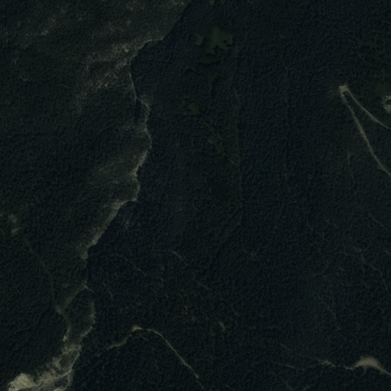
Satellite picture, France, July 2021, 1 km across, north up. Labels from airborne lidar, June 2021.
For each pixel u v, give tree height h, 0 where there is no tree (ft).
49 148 44
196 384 74
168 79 62
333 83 26
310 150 48
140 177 39
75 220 68
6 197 57
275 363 49
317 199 52
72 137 50
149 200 26
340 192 73
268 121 53
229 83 41
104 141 39
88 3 39
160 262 47
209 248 73
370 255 69
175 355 23
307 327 70
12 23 53
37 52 41
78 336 28
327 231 51
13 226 22
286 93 35
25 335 72
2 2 50
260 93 73
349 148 50
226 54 54
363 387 72
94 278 46
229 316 35
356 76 30
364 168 80
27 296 84
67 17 34
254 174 78
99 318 27
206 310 62
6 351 69
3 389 43
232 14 52
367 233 66
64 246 56
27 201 68
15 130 48
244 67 63
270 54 61
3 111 42
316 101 66
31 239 68
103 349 28
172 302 83
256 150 63
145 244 62
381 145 49
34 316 91
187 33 54
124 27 26
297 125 49
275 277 90
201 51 57
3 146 75
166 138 45
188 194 46
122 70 33
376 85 34
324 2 94
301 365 86
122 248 73
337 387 62
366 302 72
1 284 81
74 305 33
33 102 53
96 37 32
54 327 74
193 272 83
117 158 22
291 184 65
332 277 90
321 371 79
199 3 61
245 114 34
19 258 72
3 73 29
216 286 72
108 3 36
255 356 91
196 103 28
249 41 35
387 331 69
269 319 81
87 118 46
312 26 72
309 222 51
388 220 70
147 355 57
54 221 80
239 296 84
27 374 33
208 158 74
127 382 73
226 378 93
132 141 23
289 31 53
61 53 33
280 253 66
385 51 46
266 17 74
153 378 86
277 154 52
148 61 47
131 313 63
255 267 88
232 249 72
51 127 44
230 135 41
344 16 63
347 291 67
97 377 99
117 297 72
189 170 53
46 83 70
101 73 27
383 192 88
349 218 72
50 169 89
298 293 79
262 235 89
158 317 80
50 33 25
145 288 57
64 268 69
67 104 41
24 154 80
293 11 62
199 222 65
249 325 49
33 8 27
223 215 56
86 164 90
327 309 35
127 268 72
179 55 41
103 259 80
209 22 44
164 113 27
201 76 78
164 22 25
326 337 75
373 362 0
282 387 100
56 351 86
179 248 89
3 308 77
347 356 114
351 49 52
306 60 49
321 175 44
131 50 27
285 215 36
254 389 59
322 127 21
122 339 50
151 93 25
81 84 21
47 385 0
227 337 79
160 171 41
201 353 72
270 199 55
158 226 73
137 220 35
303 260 52
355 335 57
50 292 25
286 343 88
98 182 25
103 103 41
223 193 68
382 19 24
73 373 0
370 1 85
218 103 51
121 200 36
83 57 27
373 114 82
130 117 43
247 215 69
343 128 83
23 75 55
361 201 112
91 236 30
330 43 71
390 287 59
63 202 51
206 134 64
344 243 52
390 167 86
